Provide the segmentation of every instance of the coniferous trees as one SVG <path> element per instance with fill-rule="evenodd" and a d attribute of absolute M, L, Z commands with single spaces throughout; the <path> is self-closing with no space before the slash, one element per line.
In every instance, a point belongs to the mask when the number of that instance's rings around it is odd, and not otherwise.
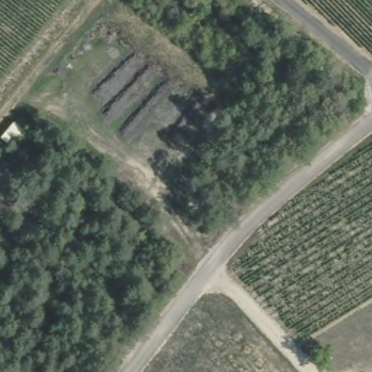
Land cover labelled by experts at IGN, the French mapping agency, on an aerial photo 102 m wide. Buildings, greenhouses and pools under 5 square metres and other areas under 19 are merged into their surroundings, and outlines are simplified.
<path fill-rule="evenodd" d="M 199 89 L 209 102 L 202 109 L 211 113 L 209 118 L 214 122 L 215 128 L 209 131 L 208 137 L 203 138 L 201 145 L 193 148 L 190 155 L 196 166 L 196 176 L 193 177 L 192 187 L 189 189 L 193 202 L 187 205 L 199 214 L 199 221 L 190 225 L 192 230 L 208 232 L 209 228 L 221 228 L 224 232 L 228 227 L 235 230 L 240 225 L 241 215 L 253 211 L 264 198 L 276 192 L 276 183 L 304 166 L 310 166 L 318 151 L 328 142 L 340 138 L 340 134 L 344 134 L 350 128 L 350 124 L 366 106 L 365 78 L 356 76 L 349 67 L 337 61 L 323 45 L 305 35 L 305 32 L 299 31 L 301 23 L 291 13 L 283 13 L 273 0 L 134 0 L 126 4 L 129 12 L 141 17 L 142 22 L 147 25 L 155 26 L 167 36 L 171 44 L 180 46 L 189 54 L 192 61 L 199 65 L 206 78 L 206 86 Z"/>
<path fill-rule="evenodd" d="M 0 137 L 0 372 L 122 372 L 119 366 L 126 353 L 138 340 L 148 339 L 148 333 L 160 323 L 161 310 L 169 304 L 170 298 L 177 294 L 186 280 L 182 275 L 177 275 L 177 269 L 182 263 L 179 250 L 173 247 L 167 238 L 160 237 L 153 230 L 158 211 L 153 196 L 147 195 L 144 190 L 132 186 L 131 183 L 119 182 L 116 177 L 118 163 L 109 155 L 94 150 L 86 141 L 86 129 L 77 129 L 73 137 L 65 137 L 51 122 L 39 118 L 38 109 L 20 103 L 10 115 L 15 119 L 20 135 L 13 135 L 9 139 Z"/>
<path fill-rule="evenodd" d="M 333 372 L 334 349 L 331 346 L 320 346 L 311 363 L 317 366 L 317 372 Z"/>

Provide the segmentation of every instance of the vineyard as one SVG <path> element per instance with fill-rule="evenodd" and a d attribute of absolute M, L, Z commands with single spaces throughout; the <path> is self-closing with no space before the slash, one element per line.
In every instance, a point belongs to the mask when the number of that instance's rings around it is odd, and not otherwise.
<path fill-rule="evenodd" d="M 294 328 L 296 339 L 301 337 L 305 340 L 317 340 L 356 312 L 372 305 L 372 135 L 357 145 L 355 150 L 344 154 L 343 158 L 330 169 L 323 171 L 305 189 L 296 193 L 294 199 L 283 203 L 275 214 L 264 219 L 262 225 L 254 228 L 246 243 L 228 260 L 227 267 L 230 278 L 243 283 L 247 294 L 267 312 L 267 315 L 270 315 L 270 318 L 280 321 L 283 327 Z"/>
<path fill-rule="evenodd" d="M 363 46 L 372 54 L 372 0 L 302 0 L 314 7 L 320 15 L 327 17 L 328 23 L 339 26 L 357 45 Z"/>
<path fill-rule="evenodd" d="M 10 115 L 20 103 L 41 76 L 45 62 L 60 52 L 65 39 L 83 25 L 84 20 L 102 0 L 0 0 L 0 115 Z"/>

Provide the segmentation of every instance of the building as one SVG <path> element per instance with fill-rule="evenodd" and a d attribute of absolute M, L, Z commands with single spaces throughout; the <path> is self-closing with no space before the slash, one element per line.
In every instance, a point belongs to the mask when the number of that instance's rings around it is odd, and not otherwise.
<path fill-rule="evenodd" d="M 10 115 L 0 115 L 0 137 L 9 139 L 13 135 L 20 135 L 15 119 Z"/>

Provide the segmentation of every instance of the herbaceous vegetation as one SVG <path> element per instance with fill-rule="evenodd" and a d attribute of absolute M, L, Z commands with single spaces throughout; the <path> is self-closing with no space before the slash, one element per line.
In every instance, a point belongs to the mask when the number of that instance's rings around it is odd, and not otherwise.
<path fill-rule="evenodd" d="M 65 137 L 73 137 L 77 129 L 86 129 L 86 141 L 94 150 L 109 155 L 118 163 L 116 177 L 119 182 L 131 183 L 132 186 L 144 190 L 147 195 L 153 196 L 158 211 L 153 230 L 160 237 L 167 238 L 173 247 L 179 250 L 182 263 L 177 269 L 177 275 L 182 275 L 186 280 L 196 264 L 206 256 L 209 248 L 217 244 L 224 232 L 221 228 L 209 228 L 208 232 L 192 230 L 190 225 L 199 221 L 199 214 L 187 205 L 193 202 L 189 189 L 192 187 L 193 177 L 196 176 L 196 166 L 190 155 L 193 148 L 201 145 L 203 138 L 208 137 L 209 131 L 215 128 L 214 122 L 209 118 L 211 113 L 202 109 L 209 102 L 199 89 L 206 86 L 206 78 L 199 65 L 192 61 L 189 54 L 180 46 L 171 44 L 167 36 L 155 26 L 147 25 L 142 22 L 141 17 L 129 12 L 126 4 L 134 0 L 102 0 L 84 20 L 83 25 L 65 39 L 60 52 L 45 62 L 41 76 L 20 103 L 38 109 L 39 118 L 51 122 Z"/>
<path fill-rule="evenodd" d="M 292 352 L 298 359 L 302 357 L 311 363 L 320 346 L 331 346 L 334 349 L 333 372 L 372 372 L 372 305 L 356 312 L 317 340 L 305 340 L 301 337 L 296 339 Z"/>
<path fill-rule="evenodd" d="M 145 372 L 298 372 L 291 360 L 280 352 L 273 341 L 247 314 L 244 314 L 230 296 L 206 294 L 190 307 L 185 320 L 180 323 Z"/>

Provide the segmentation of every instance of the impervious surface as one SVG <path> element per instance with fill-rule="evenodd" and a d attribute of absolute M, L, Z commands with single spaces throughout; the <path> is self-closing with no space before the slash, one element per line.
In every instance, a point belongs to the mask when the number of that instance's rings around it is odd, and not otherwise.
<path fill-rule="evenodd" d="M 160 323 L 148 333 L 148 339 L 138 340 L 126 353 L 119 366 L 122 372 L 145 372 L 180 323 L 185 320 L 190 307 L 206 294 L 203 291 L 205 283 L 214 276 L 219 266 L 224 264 L 227 267 L 228 260 L 246 243 L 254 228 L 262 225 L 264 219 L 275 214 L 283 203 L 294 199 L 296 193 L 305 189 L 323 171 L 330 169 L 343 158 L 344 154 L 355 150 L 357 145 L 372 135 L 372 54 L 363 46 L 357 45 L 339 26 L 328 23 L 327 17 L 320 15 L 314 7 L 302 0 L 273 0 L 283 13 L 291 13 L 301 23 L 299 31 L 305 32 L 305 35 L 323 45 L 337 61 L 349 67 L 356 76 L 365 78 L 366 106 L 350 124 L 350 128 L 344 134 L 340 134 L 340 138 L 328 142 L 318 151 L 310 166 L 304 166 L 276 183 L 276 192 L 264 198 L 253 211 L 241 215 L 240 225 L 235 230 L 228 227 L 224 232 L 217 244 L 209 248 L 206 256 L 196 264 L 186 280 L 177 294 L 170 298 L 169 304 L 161 310 Z"/>

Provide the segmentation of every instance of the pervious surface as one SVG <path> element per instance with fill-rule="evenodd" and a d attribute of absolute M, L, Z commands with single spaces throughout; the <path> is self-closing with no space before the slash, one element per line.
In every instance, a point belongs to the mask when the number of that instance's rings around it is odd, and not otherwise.
<path fill-rule="evenodd" d="M 219 266 L 214 276 L 205 283 L 203 291 L 206 294 L 230 296 L 244 314 L 247 314 L 273 341 L 280 352 L 291 360 L 298 372 L 317 372 L 317 366 L 311 363 L 302 357 L 298 359 L 292 352 L 296 339 L 294 328 L 283 327 L 280 321 L 270 318 L 270 315 L 267 315 L 267 312 L 247 294 L 243 283 L 230 278 L 227 267 L 224 264 Z"/>

